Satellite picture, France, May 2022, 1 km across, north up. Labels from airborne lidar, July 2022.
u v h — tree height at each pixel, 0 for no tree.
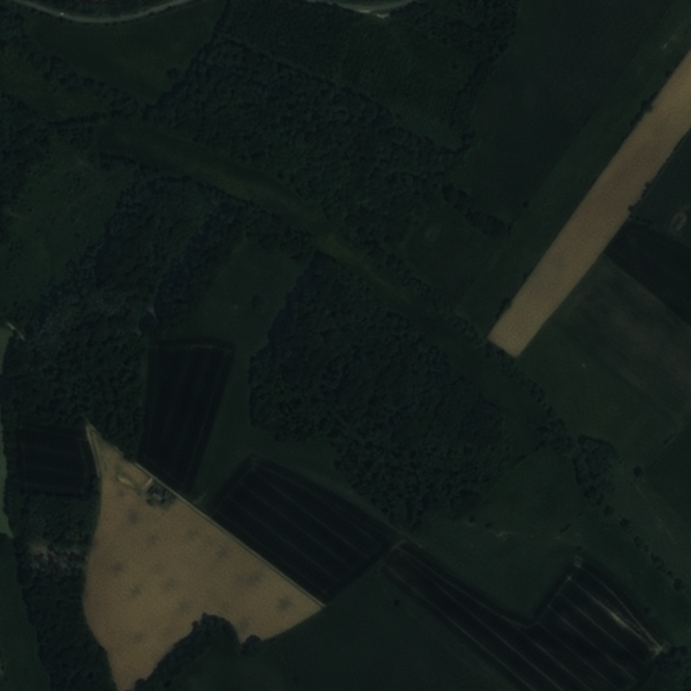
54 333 25
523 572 0
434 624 0
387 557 0
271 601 0
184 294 30
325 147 23
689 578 0
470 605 0
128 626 0
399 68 6
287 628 0
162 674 16
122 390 22
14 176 22
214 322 0
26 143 25
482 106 0
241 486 0
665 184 0
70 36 0
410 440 19
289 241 26
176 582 0
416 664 0
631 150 0
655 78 0
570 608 0
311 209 0
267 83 21
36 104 0
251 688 0
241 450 0
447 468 8
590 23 0
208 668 0
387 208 25
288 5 20
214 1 0
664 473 0
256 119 24
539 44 0
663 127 0
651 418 0
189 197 24
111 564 0
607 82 0
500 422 15
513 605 0
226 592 0
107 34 0
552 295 0
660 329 0
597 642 0
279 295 0
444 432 15
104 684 24
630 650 0
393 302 0
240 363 0
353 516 0
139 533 0
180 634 0
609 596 0
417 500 9
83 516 26
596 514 0
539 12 0
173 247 20
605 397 0
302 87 25
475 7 20
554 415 14
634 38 0
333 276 25
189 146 0
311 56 20
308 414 12
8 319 8
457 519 23
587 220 0
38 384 28
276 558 0
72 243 0
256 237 22
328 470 0
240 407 0
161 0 10
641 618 0
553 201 0
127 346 6
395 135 26
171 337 23
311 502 0
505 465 13
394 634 0
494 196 0
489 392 0
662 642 0
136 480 0
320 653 0
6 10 14
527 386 11
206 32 0
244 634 0
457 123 14
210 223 19
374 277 0
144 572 0
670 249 0
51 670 12
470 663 0
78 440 0
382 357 27
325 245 0
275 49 20
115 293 23
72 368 10
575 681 0
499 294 0
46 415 22
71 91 18
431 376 24
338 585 0
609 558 0
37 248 0
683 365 0
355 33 6
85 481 0
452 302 0
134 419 12
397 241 20
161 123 22
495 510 0
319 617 0
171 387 0
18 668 0
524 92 0
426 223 0
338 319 28
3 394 21
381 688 0
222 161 0
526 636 0
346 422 26
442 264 0
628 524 16
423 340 15
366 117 24
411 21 16
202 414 0
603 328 0
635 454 0
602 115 0
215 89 20
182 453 0
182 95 23
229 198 14
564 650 0
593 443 18
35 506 19
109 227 18
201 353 0
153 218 29
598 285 0
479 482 14
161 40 0
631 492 0
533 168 0
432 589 0
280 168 23
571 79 0
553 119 0
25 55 17
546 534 0
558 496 0
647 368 0
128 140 0
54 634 24
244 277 0
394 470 26
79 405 9
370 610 0
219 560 0
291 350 31
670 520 0
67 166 0
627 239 0
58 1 21
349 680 0
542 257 0
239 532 0
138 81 0
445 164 25
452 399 25
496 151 0
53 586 26
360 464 13
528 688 0
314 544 0
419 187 22
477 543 0
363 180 26
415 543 0
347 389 32
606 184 0
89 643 20
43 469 0
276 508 0
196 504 0
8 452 18
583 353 0
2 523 0
